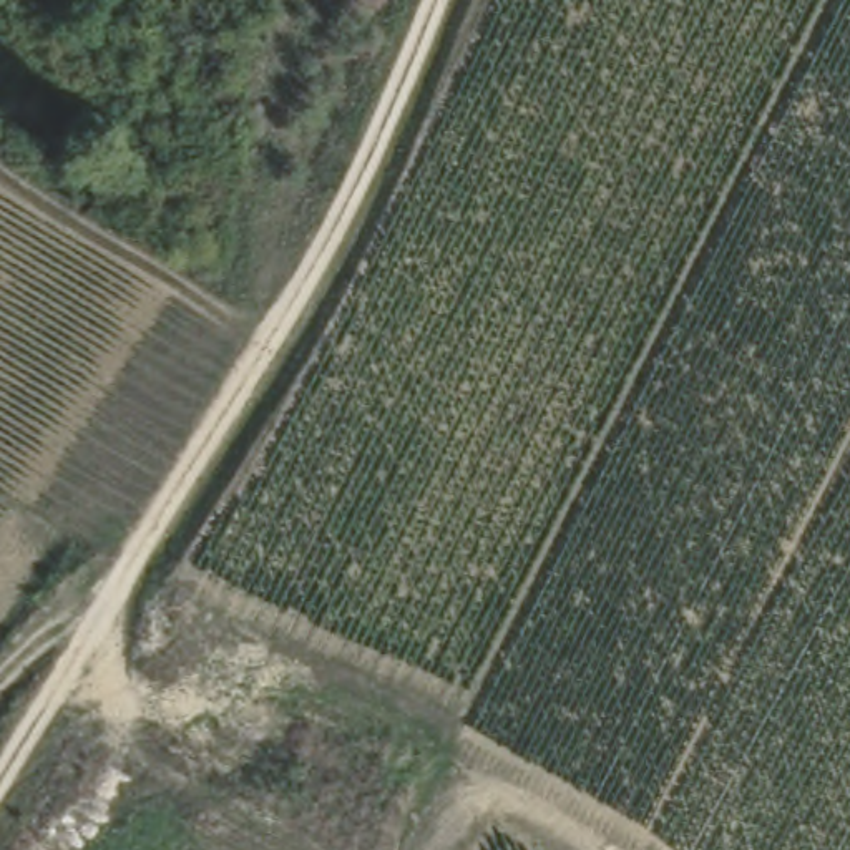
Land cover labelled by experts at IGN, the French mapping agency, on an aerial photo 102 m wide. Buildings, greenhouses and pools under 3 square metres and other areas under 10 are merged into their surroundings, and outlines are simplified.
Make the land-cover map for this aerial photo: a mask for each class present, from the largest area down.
<instances>
[{"label":"vineyard","instance_id":"1","mask_svg":"<svg viewBox=\"0 0 850 850\"><path fill-rule=\"evenodd\" d=\"M179 561L196 564L213 578L226 581L229 588L246 591L249 598L305 614L322 631L402 657L448 684H462L475 697L468 707V727L481 730L485 737L515 750L518 757L541 764L548 774L621 810L624 817L651 827L674 850H850V0H452L438 27L435 46L425 60V70L418 76V86L382 159V169L345 242L339 246L315 299L292 329L276 365L266 372L259 392L229 432L226 445L219 448V455L193 488L189 501L176 515L173 528L146 561L139 581L159 591ZM262 319L252 309L229 305L199 282H193L186 276V252L173 249L169 256H156L146 246L129 242L126 236L90 219L76 206L53 196L46 186L27 179L20 169L0 159V518L7 511L20 515V538L33 545L40 554L53 541L70 535L90 541L96 554H110L116 561L129 531L139 525L153 495L163 488L179 452L203 422L213 398L219 395L226 375L246 352Z\"/></svg>","mask_w":850,"mask_h":850},{"label":"herbaceous vegetation","instance_id":"2","mask_svg":"<svg viewBox=\"0 0 850 850\"><path fill-rule=\"evenodd\" d=\"M40 554L33 545L20 538V515L7 511L0 518V621L13 608L20 584L30 578ZM116 561L110 554H96L73 574L56 581V588L33 611L27 628L56 614L60 608L83 618L93 601V588L110 574ZM126 671L139 674L143 681L163 691L179 681L186 691H196L203 697V714L186 717L179 727H166L159 721L133 724V744L123 764L126 784H120L103 830L80 850H445L432 837L435 823L442 810L455 800L452 787L468 784L471 774L505 780L548 800L581 827L594 830L604 843L621 850H674L651 827L624 817L621 810L548 774L541 764L518 757L515 750L485 737L481 730L468 727V707L475 697L462 684H448L402 657L322 631L305 614L249 598L246 591L229 588L226 581L213 578L196 564L179 561L159 591L139 581L126 601L123 618ZM60 651H43L0 694V747L7 744L37 687L53 671ZM106 721L100 714V704H63L56 711L40 744L33 747L27 767L20 770L17 784L0 804V850H27L46 833L53 817L66 813V807L76 797H93L106 774L110 747L103 744ZM448 850H574L541 823H531L528 817L481 813L468 827V833L455 840Z\"/></svg>","mask_w":850,"mask_h":850},{"label":"brushwood","instance_id":"3","mask_svg":"<svg viewBox=\"0 0 850 850\"><path fill-rule=\"evenodd\" d=\"M418 0H0V159L20 169L27 179L46 186L53 196L76 206L90 219L126 236L129 242L146 246L156 256H169L173 249L186 252V276L193 282H199L229 305L252 309L262 319L296 276L315 229L329 213V203L335 199L345 179V169L395 66ZM96 554L90 541L70 535L53 541L40 554L30 578L20 584L13 608L0 621V657L10 651L13 634L27 628L33 611L56 588V581L73 574Z\"/></svg>","mask_w":850,"mask_h":850},{"label":"pervious surface","instance_id":"4","mask_svg":"<svg viewBox=\"0 0 850 850\"><path fill-rule=\"evenodd\" d=\"M452 0H418L395 66L345 169V179L335 199L329 203V213L315 229L296 276L262 319L246 352L226 375L219 395L213 398L203 422L179 452L163 488L153 495L139 525L129 531L116 561L110 574L93 588V601L83 618L60 608L56 614L27 628L13 634L10 651L0 657V694L43 651H60L53 671L37 687L7 744L0 747V804L17 784L20 770L27 767L33 747L40 744L56 711L63 704H100V714L106 721L103 744L110 747L106 774L93 797H76L66 807V813L53 817L46 833L27 850H80L103 830L120 784H126L123 764L133 744V724L159 721L166 727H179L186 717L203 714V697L196 691H186L179 681L163 691L143 681L139 674L126 671L123 618L126 601L139 581L146 561L173 528L176 515L189 501L193 488L219 455V448L226 445L229 432L259 392L266 372L276 365L292 329L315 299L339 246L345 242L382 169V159L418 86V76L425 70V60L435 46L438 27ZM455 800L442 810L435 823L432 837L445 850H448L455 840L468 833V827L481 813L528 817L531 823H541L574 850H621L604 843L594 830L581 827L548 800L505 780L471 774L468 784L452 787Z\"/></svg>","mask_w":850,"mask_h":850}]
</instances>
